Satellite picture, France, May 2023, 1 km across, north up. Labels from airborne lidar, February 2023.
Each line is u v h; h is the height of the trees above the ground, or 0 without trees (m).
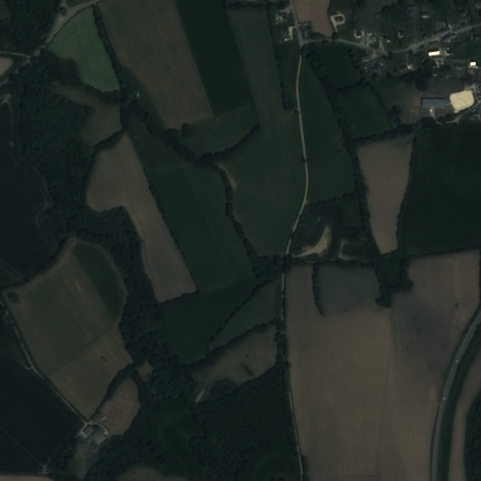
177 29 0
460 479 0
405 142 0
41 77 14
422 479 0
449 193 0
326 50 0
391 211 0
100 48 0
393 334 0
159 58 0
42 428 0
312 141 0
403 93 0
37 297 0
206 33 0
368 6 0
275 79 0
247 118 0
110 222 9
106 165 0
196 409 7
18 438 0
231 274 0
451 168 0
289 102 7
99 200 0
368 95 0
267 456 0
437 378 0
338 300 0
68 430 0
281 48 0
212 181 0
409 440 0
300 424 0
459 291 0
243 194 0
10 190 0
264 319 0
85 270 0
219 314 0
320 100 0
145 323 9
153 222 0
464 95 0
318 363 0
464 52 0
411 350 0
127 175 0
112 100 10
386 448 0
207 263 0
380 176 0
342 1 0
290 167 0
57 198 19
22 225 0
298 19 0
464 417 0
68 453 0
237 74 0
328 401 0
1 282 0
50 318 0
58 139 7
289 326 0
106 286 0
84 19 0
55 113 10
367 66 0
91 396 0
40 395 0
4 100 0
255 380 9
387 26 0
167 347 17
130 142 0
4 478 0
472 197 0
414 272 0
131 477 0
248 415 7
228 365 0
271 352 0
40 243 0
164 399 8
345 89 11
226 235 0
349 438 0
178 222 0
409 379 0
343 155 0
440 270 0
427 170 0
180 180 0
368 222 6
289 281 0
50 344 0
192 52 0
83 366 0
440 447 0
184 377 6
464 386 0
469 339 0
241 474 19
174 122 0
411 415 0
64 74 10
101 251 0
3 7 0
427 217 0
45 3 0
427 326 0
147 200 0
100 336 0
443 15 0
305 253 0
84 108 8
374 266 13
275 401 6
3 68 0
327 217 6
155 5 0
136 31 0
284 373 16
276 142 0
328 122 0
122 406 0
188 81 0
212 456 19
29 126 11
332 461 0
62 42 0
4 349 0
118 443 6
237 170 0
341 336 0
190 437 0
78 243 0
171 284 0
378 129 0
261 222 0
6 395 0
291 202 0
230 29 0
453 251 7
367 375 0
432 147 0
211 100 0
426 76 8
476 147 0
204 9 0
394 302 0
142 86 0
